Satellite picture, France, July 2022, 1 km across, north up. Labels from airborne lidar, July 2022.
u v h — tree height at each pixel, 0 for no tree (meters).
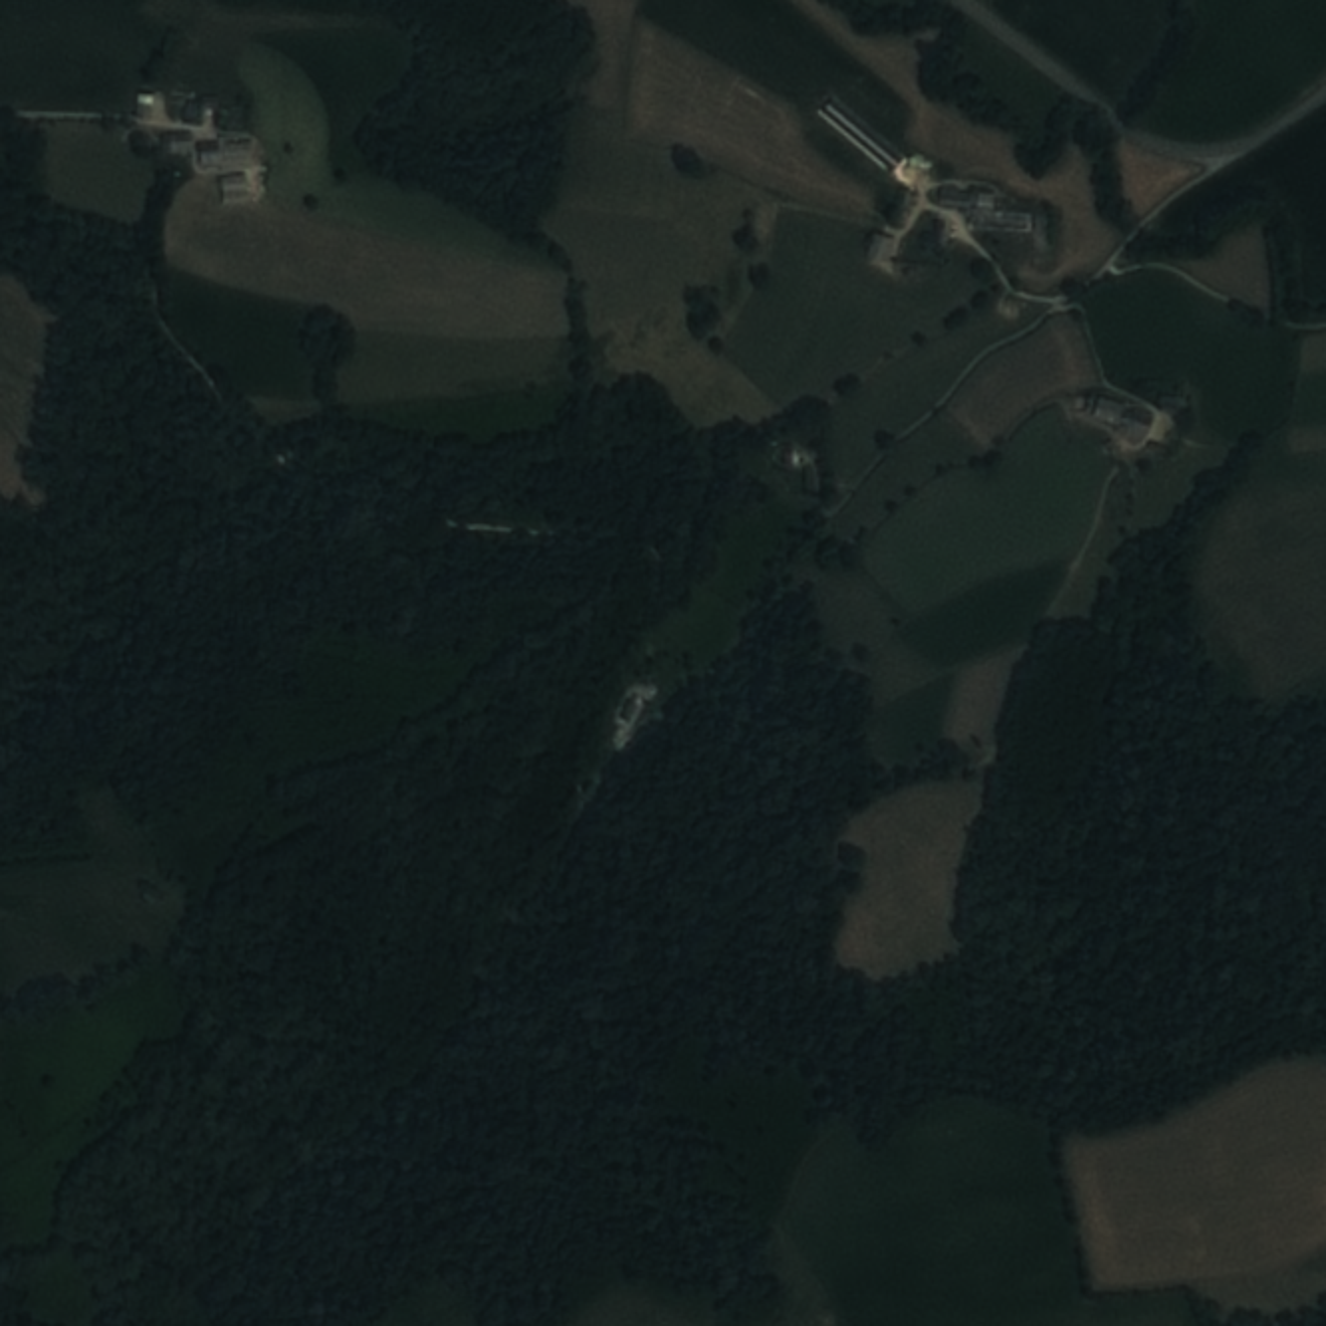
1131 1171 0
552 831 10
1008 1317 0
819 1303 0
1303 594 0
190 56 0
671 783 20
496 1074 23
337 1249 25
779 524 0
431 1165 30
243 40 0
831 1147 0
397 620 20
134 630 20
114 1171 26
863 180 0
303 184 0
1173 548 12
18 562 18
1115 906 10
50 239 29
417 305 0
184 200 0
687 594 18
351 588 22
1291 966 17
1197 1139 0
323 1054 22
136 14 0
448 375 0
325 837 19
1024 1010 15
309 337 17
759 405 0
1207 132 0
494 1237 27
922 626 0
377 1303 18
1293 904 21
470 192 25
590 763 22
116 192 0
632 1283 15
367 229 0
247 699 9
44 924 0
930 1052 11
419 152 29
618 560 13
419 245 0
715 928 27
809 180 0
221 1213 21
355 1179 24
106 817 0
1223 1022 24
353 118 0
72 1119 0
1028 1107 15
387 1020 32
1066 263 0
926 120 0
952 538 0
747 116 0
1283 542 0
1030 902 32
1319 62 0
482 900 22
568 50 26
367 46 0
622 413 15
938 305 0
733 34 0
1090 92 0
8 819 26
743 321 0
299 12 0
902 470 0
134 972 12
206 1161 14
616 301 0
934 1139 0
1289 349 0
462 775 17
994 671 0
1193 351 0
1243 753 23
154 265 17
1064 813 21
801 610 18
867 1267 0
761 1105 0
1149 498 0
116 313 31
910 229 0
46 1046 0
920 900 0
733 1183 0
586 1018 23
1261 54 0
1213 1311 11
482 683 12
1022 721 17
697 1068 0
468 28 22
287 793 14
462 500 28
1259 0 0
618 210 0
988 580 0
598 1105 28
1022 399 0
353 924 26
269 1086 25
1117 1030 11
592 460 17
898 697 0
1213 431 0
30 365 0
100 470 23
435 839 21
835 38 0
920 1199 0
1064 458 0
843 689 25
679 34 0
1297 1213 0
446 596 23
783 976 17
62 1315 0
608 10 0
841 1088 20
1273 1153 0
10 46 0
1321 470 0
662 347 0
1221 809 23
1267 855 18
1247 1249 0
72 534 26
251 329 0
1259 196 21
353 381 0
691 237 0
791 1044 13
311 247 0
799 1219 0
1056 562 0
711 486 22
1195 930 15
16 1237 0
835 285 0
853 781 14
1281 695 0
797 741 19
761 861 18
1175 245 11
